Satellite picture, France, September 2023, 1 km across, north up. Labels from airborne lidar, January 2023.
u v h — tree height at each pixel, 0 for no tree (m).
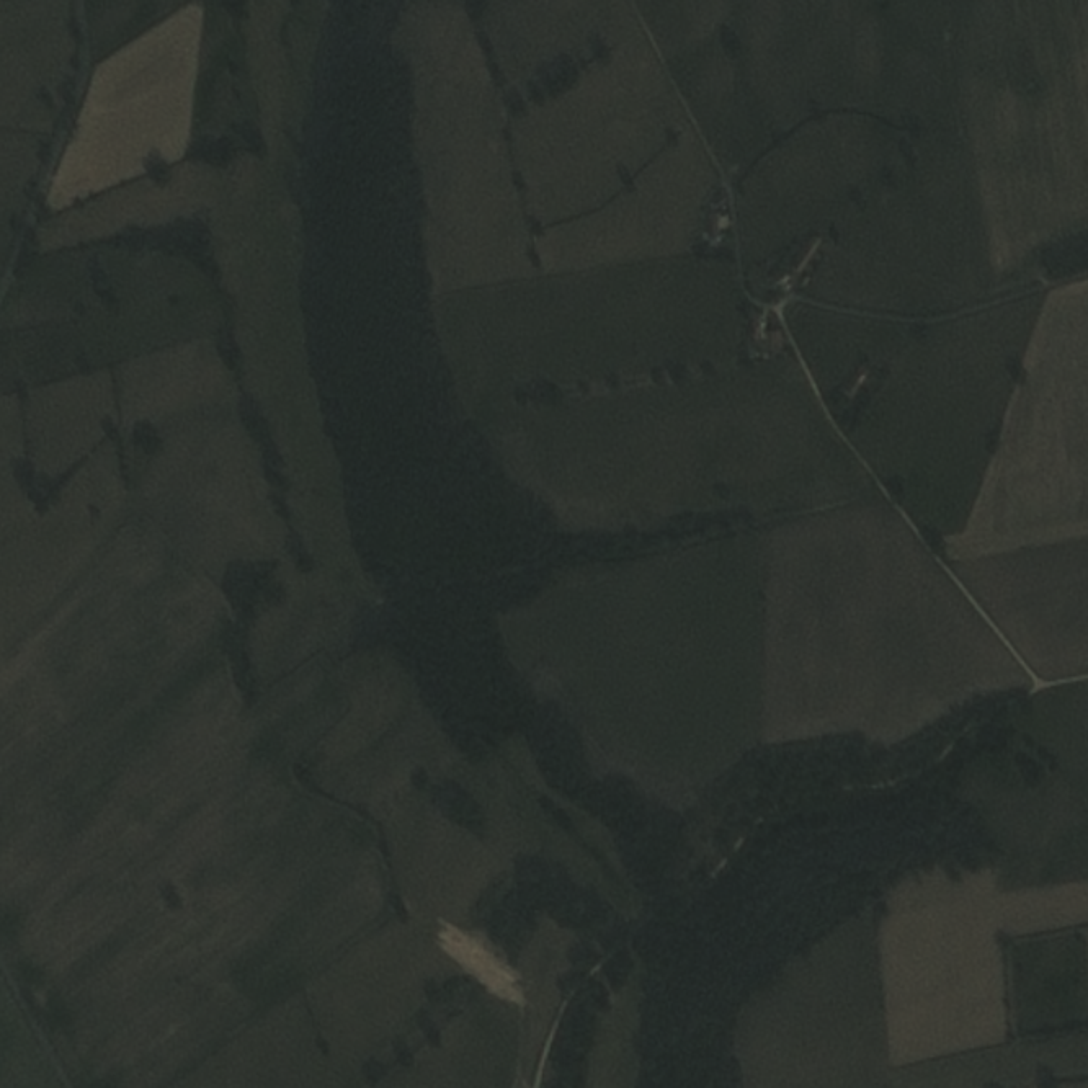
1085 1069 0
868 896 11
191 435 0
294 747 0
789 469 0
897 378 0
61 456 0
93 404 0
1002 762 0
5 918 0
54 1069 0
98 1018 0
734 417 0
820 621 0
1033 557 0
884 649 0
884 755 14
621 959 21
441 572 23
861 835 14
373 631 22
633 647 0
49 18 0
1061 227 0
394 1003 0
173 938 0
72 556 0
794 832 7
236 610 11
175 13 0
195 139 0
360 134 27
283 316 0
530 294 0
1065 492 0
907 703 0
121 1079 0
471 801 9
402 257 23
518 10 0
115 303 17
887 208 0
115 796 0
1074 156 0
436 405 18
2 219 0
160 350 0
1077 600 0
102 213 0
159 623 0
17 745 0
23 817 0
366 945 0
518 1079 0
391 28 11
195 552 0
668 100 0
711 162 0
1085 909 0
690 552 0
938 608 0
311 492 0
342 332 26
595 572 0
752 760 13
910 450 0
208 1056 0
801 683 0
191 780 0
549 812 8
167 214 0
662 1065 20
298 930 0
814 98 0
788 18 0
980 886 0
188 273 0
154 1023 0
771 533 0
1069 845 0
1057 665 0
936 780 13
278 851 0
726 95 0
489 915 0
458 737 16
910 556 0
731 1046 9
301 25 0
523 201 0
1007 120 0
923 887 0
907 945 0
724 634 0
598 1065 0
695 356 0
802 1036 0
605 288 0
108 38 0
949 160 0
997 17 0
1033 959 0
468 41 0
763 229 0
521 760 0
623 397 0
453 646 25
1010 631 0
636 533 10
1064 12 0
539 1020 0
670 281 0
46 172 0
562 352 0
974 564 0
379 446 24
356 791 0
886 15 0
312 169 27
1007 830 0
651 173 0
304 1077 0
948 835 10
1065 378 0
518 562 20
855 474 0
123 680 0
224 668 0
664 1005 17
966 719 7
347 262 25
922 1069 0
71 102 18
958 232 0
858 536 0
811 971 0
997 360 0
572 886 25
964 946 0
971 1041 0
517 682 16
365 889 0
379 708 0
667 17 0
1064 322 0
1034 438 0
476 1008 0
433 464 20
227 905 0
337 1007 0
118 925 0
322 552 0
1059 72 0
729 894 15
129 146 0
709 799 9
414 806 0
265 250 0
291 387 0
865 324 0
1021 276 0
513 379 0
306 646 0
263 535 0
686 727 0
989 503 0
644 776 0
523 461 0
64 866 0
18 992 0
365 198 25
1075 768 0
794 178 0
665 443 0
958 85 0
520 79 0
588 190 0
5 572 0
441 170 0
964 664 0
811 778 16
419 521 17
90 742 0
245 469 0
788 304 0
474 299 0
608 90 0
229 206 0
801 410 0
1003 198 0
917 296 0
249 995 0
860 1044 0
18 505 0
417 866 0
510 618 0
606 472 0
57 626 0
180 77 0
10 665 0
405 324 19
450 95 0
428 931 0
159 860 0
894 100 0
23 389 10
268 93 0
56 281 0
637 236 0
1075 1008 0
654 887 19
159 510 0
